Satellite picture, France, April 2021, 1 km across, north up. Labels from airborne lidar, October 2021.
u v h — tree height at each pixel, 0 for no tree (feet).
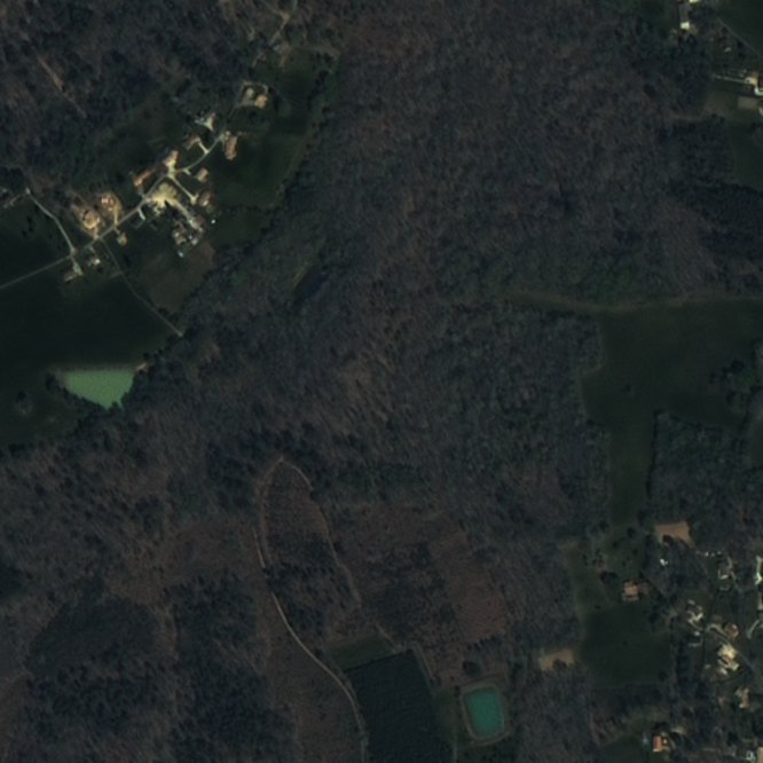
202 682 54
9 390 0
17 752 21
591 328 53
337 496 44
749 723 57
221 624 45
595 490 25
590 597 0
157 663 37
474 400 58
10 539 47
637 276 78
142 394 62
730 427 0
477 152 68
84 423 0
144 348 0
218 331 59
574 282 73
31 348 0
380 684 23
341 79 32
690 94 85
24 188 77
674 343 0
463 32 62
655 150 40
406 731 29
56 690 53
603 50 48
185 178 0
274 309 86
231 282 62
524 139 57
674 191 53
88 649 23
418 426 49
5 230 0
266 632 28
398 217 68
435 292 44
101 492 41
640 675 0
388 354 37
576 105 59
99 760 47
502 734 0
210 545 20
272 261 42
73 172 47
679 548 57
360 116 60
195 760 55
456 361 76
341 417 62
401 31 40
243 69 66
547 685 64
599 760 65
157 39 67
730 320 0
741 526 40
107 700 43
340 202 60
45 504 87
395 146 64
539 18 37
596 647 0
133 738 35
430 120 55
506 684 38
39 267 0
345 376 52
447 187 53
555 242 68
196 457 60
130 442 26
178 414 66
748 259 43
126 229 0
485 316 25
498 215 63
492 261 34
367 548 19
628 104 49
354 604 68
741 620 39
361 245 58
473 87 55
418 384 64
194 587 30
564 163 41
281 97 0
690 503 71
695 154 35
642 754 0
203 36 77
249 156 0
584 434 51
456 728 0
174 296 0
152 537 67
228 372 84
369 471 36
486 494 72
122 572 20
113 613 19
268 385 61
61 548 24
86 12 44
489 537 68
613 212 50
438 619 25
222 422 86
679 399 0
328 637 28
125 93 49
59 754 48
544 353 46
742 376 73
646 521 60
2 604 70
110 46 60
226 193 0
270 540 18
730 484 63
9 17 38
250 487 39
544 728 74
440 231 75
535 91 66
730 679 47
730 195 77
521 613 73
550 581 79
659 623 60
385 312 31
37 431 0
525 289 56
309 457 44
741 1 0
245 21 55
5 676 51
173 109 35
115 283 0
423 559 25
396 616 22
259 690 50
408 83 52
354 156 52
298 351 64
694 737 58
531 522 53
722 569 0
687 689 77
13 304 0
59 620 24
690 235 66
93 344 0
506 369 60
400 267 46
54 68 49
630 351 0
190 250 0
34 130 39
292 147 0
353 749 19
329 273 52
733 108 0
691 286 72
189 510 71
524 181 56
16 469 49
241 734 57
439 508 56
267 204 0
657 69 88
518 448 29
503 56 60
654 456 20
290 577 49
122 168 0
